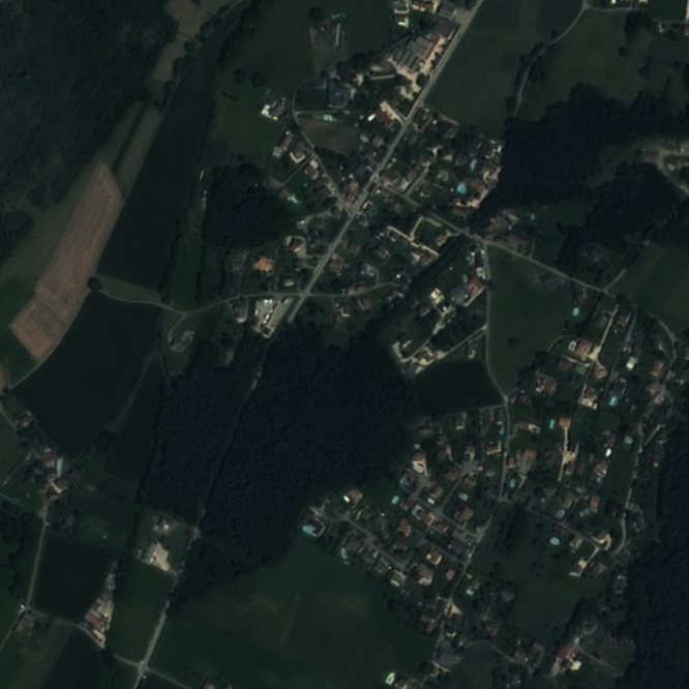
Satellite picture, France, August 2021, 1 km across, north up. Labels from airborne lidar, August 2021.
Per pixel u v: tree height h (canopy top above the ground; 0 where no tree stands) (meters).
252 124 0
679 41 0
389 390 27
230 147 0
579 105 20
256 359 24
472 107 0
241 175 11
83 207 0
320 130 0
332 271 0
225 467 23
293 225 0
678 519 24
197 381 27
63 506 15
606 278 14
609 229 18
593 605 10
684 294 0
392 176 0
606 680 0
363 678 0
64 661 0
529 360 0
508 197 18
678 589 20
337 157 8
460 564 7
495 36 0
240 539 14
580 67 0
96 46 18
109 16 17
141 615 0
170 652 0
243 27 20
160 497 23
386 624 0
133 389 9
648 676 26
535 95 0
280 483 20
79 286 0
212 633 0
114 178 0
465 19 0
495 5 0
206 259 6
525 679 9
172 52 0
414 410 26
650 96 9
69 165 7
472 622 0
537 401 13
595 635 0
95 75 14
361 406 27
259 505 20
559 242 0
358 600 0
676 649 25
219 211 26
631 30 14
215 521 16
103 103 19
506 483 7
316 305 14
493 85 0
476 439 9
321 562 0
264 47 0
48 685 0
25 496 0
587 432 6
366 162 11
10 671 0
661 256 0
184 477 26
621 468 0
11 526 23
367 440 24
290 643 0
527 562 0
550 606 0
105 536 0
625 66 0
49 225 0
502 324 0
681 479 24
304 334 24
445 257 14
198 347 0
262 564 6
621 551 0
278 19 0
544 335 0
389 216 6
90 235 0
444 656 0
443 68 0
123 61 13
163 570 0
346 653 0
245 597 0
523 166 24
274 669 0
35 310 0
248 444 24
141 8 8
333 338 0
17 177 7
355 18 0
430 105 0
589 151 21
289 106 0
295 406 21
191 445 27
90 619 0
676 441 14
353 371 15
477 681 0
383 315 10
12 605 0
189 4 0
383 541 7
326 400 25
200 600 0
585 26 0
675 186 14
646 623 20
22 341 0
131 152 0
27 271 0
